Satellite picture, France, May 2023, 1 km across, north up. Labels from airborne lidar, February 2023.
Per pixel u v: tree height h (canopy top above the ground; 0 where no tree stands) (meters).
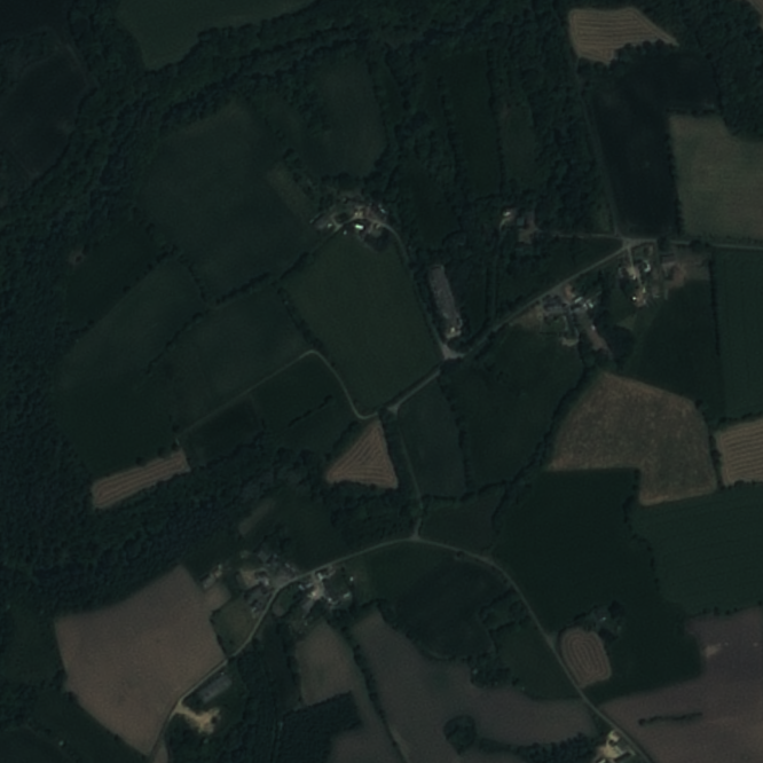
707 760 0
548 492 0
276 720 8
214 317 0
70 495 6
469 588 0
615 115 0
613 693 0
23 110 0
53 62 0
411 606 0
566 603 0
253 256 0
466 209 18
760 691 0
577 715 0
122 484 0
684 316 0
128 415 0
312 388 0
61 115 0
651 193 0
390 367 0
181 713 0
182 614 0
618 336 14
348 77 0
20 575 21
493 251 21
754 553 0
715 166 0
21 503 10
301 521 0
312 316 0
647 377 0
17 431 10
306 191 6
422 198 0
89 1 15
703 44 17
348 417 0
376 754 0
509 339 0
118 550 10
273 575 0
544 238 8
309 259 9
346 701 8
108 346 0
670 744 0
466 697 0
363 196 8
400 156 15
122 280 0
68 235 21
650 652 0
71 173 13
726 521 0
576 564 0
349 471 0
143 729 0
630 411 0
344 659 0
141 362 0
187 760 8
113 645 0
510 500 11
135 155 19
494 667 5
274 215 0
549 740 0
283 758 10
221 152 0
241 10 0
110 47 20
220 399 0
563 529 0
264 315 0
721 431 11
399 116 0
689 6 25
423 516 11
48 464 6
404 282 0
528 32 12
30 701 8
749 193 0
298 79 18
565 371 0
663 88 0
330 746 8
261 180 0
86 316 0
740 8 15
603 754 0
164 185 0
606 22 0
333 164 0
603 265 0
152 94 20
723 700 0
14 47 8
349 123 0
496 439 0
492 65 8
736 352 0
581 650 0
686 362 0
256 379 0
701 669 0
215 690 0
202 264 0
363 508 19
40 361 15
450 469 0
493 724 0
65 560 7
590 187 17
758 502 0
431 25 11
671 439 0
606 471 0
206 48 17
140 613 0
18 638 0
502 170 9
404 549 0
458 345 9
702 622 0
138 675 0
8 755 0
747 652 0
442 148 9
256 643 9
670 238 0
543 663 0
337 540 0
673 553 0
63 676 11
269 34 16
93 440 0
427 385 0
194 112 21
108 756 0
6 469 12
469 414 0
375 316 0
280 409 0
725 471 0
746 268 0
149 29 0
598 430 0
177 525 27
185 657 0
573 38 0
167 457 10
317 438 0
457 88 0
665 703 0
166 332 0
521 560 0
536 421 0
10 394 10
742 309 0
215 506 23
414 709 0
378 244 16
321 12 20
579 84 0
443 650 0
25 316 19
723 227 0
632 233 0
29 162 0
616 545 0
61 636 0
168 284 0
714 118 9
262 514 0
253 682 7
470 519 0
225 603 0
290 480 19
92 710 0
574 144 17
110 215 22
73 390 0
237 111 0
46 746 0
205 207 0
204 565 0
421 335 0
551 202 11
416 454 0
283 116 0
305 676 0
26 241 7
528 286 0
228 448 0
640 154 0
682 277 0
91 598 16
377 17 20
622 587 0
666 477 0
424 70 0
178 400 0
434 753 0
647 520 0
